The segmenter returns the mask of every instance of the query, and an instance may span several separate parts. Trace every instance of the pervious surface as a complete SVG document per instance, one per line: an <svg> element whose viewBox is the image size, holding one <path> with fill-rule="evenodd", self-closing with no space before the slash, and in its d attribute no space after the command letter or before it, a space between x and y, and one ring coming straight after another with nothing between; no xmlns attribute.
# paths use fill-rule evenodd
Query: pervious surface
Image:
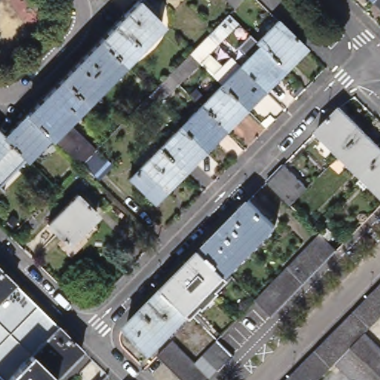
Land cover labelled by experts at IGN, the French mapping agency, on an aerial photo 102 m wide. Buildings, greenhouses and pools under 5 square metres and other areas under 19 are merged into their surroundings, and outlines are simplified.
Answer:
<svg viewBox="0 0 380 380"><path fill-rule="evenodd" d="M298 236L303 237L303 243L297 243L297 251L286 263L279 266L281 272L284 272L301 252L309 248L315 239L313 236L307 236L298 223L298 218L304 214L304 211L294 206L284 203L279 206L276 223L272 224L273 230L276 230L278 224L289 224Z"/></svg>
<svg viewBox="0 0 380 380"><path fill-rule="evenodd" d="M171 338L191 361L196 362L214 346L212 338L215 337L215 331L206 316L194 322L184 322Z"/></svg>
<svg viewBox="0 0 380 380"><path fill-rule="evenodd" d="M18 19L9 18L4 12L4 4L0 1L0 65L4 68L12 67L15 64L13 53L19 47L42 49L42 43L34 37L39 28L36 21L22 25Z"/></svg>
<svg viewBox="0 0 380 380"><path fill-rule="evenodd" d="M162 212L162 217L160 223L154 226L154 230L159 235L162 229L168 229L169 226L166 226L166 218L191 194L190 189L181 193L177 189L172 190L172 193L157 206Z"/></svg>
<svg viewBox="0 0 380 380"><path fill-rule="evenodd" d="M123 214L114 214L111 206L104 203L99 208L101 221L113 229L123 217Z"/></svg>
<svg viewBox="0 0 380 380"><path fill-rule="evenodd" d="M12 237L31 232L34 239L40 230L46 227L50 223L47 221L47 215L50 211L36 209L28 221L21 220L16 211L12 211L7 217L7 229L4 230Z"/></svg>

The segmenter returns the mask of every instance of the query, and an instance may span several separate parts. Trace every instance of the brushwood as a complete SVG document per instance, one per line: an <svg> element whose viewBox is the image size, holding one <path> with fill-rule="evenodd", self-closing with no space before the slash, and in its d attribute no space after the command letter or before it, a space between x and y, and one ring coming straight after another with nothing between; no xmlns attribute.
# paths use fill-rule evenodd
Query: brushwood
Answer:
<svg viewBox="0 0 380 380"><path fill-rule="evenodd" d="M200 196L199 187L186 180L181 181L177 189L181 193L190 189L191 194L166 218L166 226L169 226Z"/></svg>
<svg viewBox="0 0 380 380"><path fill-rule="evenodd" d="M50 211L77 178L83 178L94 186L98 193L101 193L99 196L104 203L111 206L114 214L123 214L123 217L135 220L137 214L147 212L151 205L147 197L135 187L132 189L131 199L123 200L99 178L92 177L86 166L71 163L70 177L64 180L61 189L55 194L43 191L37 196L33 190L25 189L25 178L21 175L10 186L0 183L0 229L4 230L7 229L7 217L12 211L16 211L21 220L28 221L36 209Z"/></svg>
<svg viewBox="0 0 380 380"><path fill-rule="evenodd" d="M309 142L306 148L292 159L291 163L294 166L289 171L306 189L309 187L310 178L325 174L335 160L327 145L318 140Z"/></svg>
<svg viewBox="0 0 380 380"><path fill-rule="evenodd" d="M140 77L141 83L138 83L138 86L141 89L151 91L160 85L165 77L157 68L157 56L151 52L138 61L129 73L134 80Z"/></svg>
<svg viewBox="0 0 380 380"><path fill-rule="evenodd" d="M189 45L186 45L183 47L183 49L178 50L178 52L175 53L174 56L172 56L171 61L169 61L169 64L171 64L172 67L177 67L181 64L181 62L184 61L184 59L189 58L193 50Z"/></svg>
<svg viewBox="0 0 380 380"><path fill-rule="evenodd" d="M273 230L272 236L264 245L260 246L237 272L232 273L229 284L221 289L218 297L223 300L220 304L221 309L229 316L229 322L233 322L242 321L254 303L258 295L266 291L267 286L281 275L281 272L279 266L286 263L297 251L297 243L303 243L303 237L298 236L289 224L278 224L276 230Z"/></svg>
<svg viewBox="0 0 380 380"><path fill-rule="evenodd" d="M284 80L289 92L297 92L315 80L315 77L327 67L327 62L315 52L309 53L286 74Z"/></svg>

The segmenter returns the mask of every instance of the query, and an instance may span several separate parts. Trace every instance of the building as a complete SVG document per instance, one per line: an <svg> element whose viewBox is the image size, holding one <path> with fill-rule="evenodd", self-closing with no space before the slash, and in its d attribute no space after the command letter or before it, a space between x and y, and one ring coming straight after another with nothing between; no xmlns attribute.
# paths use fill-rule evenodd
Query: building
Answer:
<svg viewBox="0 0 380 380"><path fill-rule="evenodd" d="M99 208L89 208L83 197L76 197L53 223L50 223L46 227L47 232L70 239L62 248L71 255L85 248L89 237L101 221Z"/></svg>
<svg viewBox="0 0 380 380"><path fill-rule="evenodd" d="M53 153L56 144L73 159L71 163L86 166L92 177L99 178L110 168L110 162L104 162L94 145L74 129L74 126L80 125L83 117L91 111L129 73L138 61L151 52L165 36L168 25L163 24L162 19L157 18L145 4L138 4L137 9L129 13L125 21L120 22L116 30L101 45L95 47L91 55L86 56L85 61L61 83L58 89L47 96L45 102L39 105L34 113L28 114L10 135L4 137L0 132L0 183L10 186L21 175L21 169L36 162L40 154Z"/></svg>
<svg viewBox="0 0 380 380"><path fill-rule="evenodd" d="M361 295L361 298L364 298L361 306L295 373L288 374L286 380L380 380L380 286L371 295L364 292Z"/></svg>
<svg viewBox="0 0 380 380"><path fill-rule="evenodd" d="M243 117L248 116L249 111L255 110L255 105L284 80L286 74L309 53L303 43L295 39L294 33L279 22L263 39L258 40L248 36L232 16L227 16L193 50L189 58L184 59L184 61L181 62L181 64L177 67L177 71L165 77L160 85L151 91L148 96L153 98L156 104L160 99L165 104L166 102L181 83L191 82L191 76L194 76L202 65L220 83L221 88L187 120L186 125L171 140L160 147L160 150L142 166L141 171L132 177L132 184L135 187L147 197L151 205L157 206L172 193L172 190L177 189L181 181L186 180L194 168L203 168L206 154L218 147L242 122Z"/></svg>
<svg viewBox="0 0 380 380"><path fill-rule="evenodd" d="M242 0L223 0L233 9L236 9Z"/></svg>
<svg viewBox="0 0 380 380"><path fill-rule="evenodd" d="M322 236L324 233L313 236L315 239L309 248L301 252L284 272L281 272L281 275L267 286L266 291L258 295L254 303L267 316L272 315L276 307L288 297L289 292L294 291L334 249L330 245L330 240Z"/></svg>
<svg viewBox="0 0 380 380"><path fill-rule="evenodd" d="M261 175L266 186L278 194L279 206L284 203L294 206L295 200L306 189L289 171L281 166L273 175L267 175L267 172Z"/></svg>
<svg viewBox="0 0 380 380"><path fill-rule="evenodd" d="M129 377L128 368L134 368L135 371L150 370L150 364L137 365L128 356L123 355L123 364L110 373L110 368L105 367L88 347L83 346L83 343L71 341L71 335L55 324L55 321L40 309L39 304L34 303L30 295L12 276L6 275L0 266L0 380L125 380Z"/></svg>
<svg viewBox="0 0 380 380"><path fill-rule="evenodd" d="M156 353L156 361L160 365L166 365L174 373L174 380L214 380L224 367L236 364L235 353L230 353L215 337L212 338L214 346L196 362L191 361L171 338L184 322L194 322L206 316L205 310L211 309L217 303L218 297L221 289L229 284L232 273L237 272L260 246L264 245L272 236L273 230L272 224L252 203L245 202L240 205L232 217L200 246L199 251L123 327L126 337L134 341L135 347L140 349L142 355L151 356Z"/></svg>
<svg viewBox="0 0 380 380"><path fill-rule="evenodd" d="M325 120L313 132L309 142L318 140L327 145L335 160L343 163L343 168L352 172L353 177L358 180L358 187L370 190L380 200L380 148L338 108L332 111L330 119Z"/></svg>

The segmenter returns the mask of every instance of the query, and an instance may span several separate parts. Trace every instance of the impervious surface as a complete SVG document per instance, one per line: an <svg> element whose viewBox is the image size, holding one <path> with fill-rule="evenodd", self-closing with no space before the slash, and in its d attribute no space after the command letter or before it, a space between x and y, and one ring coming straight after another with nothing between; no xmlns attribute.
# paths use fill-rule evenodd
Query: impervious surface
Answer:
<svg viewBox="0 0 380 380"><path fill-rule="evenodd" d="M10 135L28 114L34 113L39 105L45 102L47 96L58 89L61 83L85 61L86 56L91 55L95 47L101 45L116 30L120 22L125 21L129 13L137 9L138 4L145 4L157 18L162 19L163 24L168 25L166 10L180 6L184 0L73 0L74 10L71 13L71 25L65 36L64 46L47 50L42 56L43 65L39 73L25 74L21 76L21 82L0 89L0 132L4 137Z"/></svg>
<svg viewBox="0 0 380 380"><path fill-rule="evenodd" d="M9 18L18 19L22 25L36 21L36 4L25 0L0 0L0 1L4 4L4 12Z"/></svg>
<svg viewBox="0 0 380 380"><path fill-rule="evenodd" d="M370 230L376 224L380 224L380 203L373 211L370 215L358 215L358 226L353 232L352 239L346 243L338 243L338 248L334 249L294 291L289 292L288 297L276 307L272 315L267 316L254 303L242 321L233 322L229 330L215 331L215 337L230 353L235 353L236 364L224 367L214 380L286 380L288 374L295 373L361 306L364 298L361 298L361 295L364 292L371 295L380 286L380 243L374 249L373 257L362 258L356 269L347 275L341 273L337 257L347 257L350 252L355 252L359 239L371 239ZM282 341L273 331L281 322L279 313L286 307L291 307L292 300L301 292L312 291L313 279L324 279L324 273L328 270L341 278L340 285L324 295L321 306L309 310L303 327L297 327L295 330L295 341Z"/></svg>
<svg viewBox="0 0 380 380"><path fill-rule="evenodd" d="M71 341L83 343L83 346L88 347L105 367L110 368L110 373L123 364L123 355L128 356L137 365L150 364L150 370L135 371L134 368L128 368L129 377L125 380L174 380L174 373L166 365L160 365L156 361L156 353L151 356L142 355L140 349L135 347L134 341L126 337L123 327L199 251L200 246L232 217L240 205L245 202L252 203L272 224L276 223L279 206L278 194L266 186L261 175L267 172L267 175L273 175L281 166L289 171L294 166L291 163L292 159L306 148L309 142L313 132L325 120L330 119L332 111L338 108L380 148L380 0L330 0L332 9L346 15L349 21L338 42L321 47L312 45L307 40L303 28L291 18L279 0L263 0L279 22L294 33L295 39L303 43L309 53L315 52L327 62L327 67L315 77L315 80L297 92L289 92L284 80L255 105L255 110L249 111L248 116L243 117L242 122L218 147L206 154L203 168L194 168L186 180L199 187L200 196L169 226L168 229L162 229L159 235L157 245L150 248L150 251L142 252L138 267L132 270L131 275L122 276L114 284L110 297L99 306L82 310L68 303L62 297L64 291L58 288L58 281L43 266L46 264L45 251L50 251L58 245L62 248L70 239L47 232L46 227L40 230L34 239L31 232L12 237L4 230L0 229L0 266L6 275L12 276L30 295L34 303L39 304L40 309L55 321L55 324L71 335Z"/></svg>

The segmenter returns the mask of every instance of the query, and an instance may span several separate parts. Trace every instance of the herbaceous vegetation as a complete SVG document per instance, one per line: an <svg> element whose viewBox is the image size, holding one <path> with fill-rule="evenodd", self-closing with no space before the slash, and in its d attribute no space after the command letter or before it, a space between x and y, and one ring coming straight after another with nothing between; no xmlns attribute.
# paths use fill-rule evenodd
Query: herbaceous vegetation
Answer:
<svg viewBox="0 0 380 380"><path fill-rule="evenodd" d="M217 303L211 309L205 310L206 316L215 331L229 330L233 322L229 322L229 316L221 309L220 304L223 300L218 297Z"/></svg>
<svg viewBox="0 0 380 380"><path fill-rule="evenodd" d="M220 83L202 65L194 76L191 76L191 82L181 83L166 102L180 119L178 122L169 123L163 129L162 137L150 144L150 147L142 151L135 160L131 159L128 150L129 142L135 140L135 128L132 123L126 122L123 128L116 126L94 138L80 125L74 126L74 129L94 145L104 162L110 162L110 168L99 178L123 200L131 199L132 189L135 187L132 184L132 177L141 171L142 166L160 150L160 147L171 140L186 125L187 120L221 88Z"/></svg>
<svg viewBox="0 0 380 380"><path fill-rule="evenodd" d="M101 193L98 193L94 186L83 178L77 178L50 211L47 215L47 221L50 223L53 223L76 197L83 197L89 208L99 208L104 203L99 196Z"/></svg>
<svg viewBox="0 0 380 380"><path fill-rule="evenodd" d="M110 113L131 117L156 104L153 98L148 96L151 91L141 89L138 86L138 83L141 83L140 77L134 80L129 73L91 111L99 119L105 119Z"/></svg>
<svg viewBox="0 0 380 380"><path fill-rule="evenodd" d="M359 209L373 211L380 203L380 200L370 190L358 187L358 180L353 177L352 172L343 168L343 163L335 160L325 174L310 178L309 187L306 189L295 200L294 206L304 211L304 214L310 212L310 208L324 212L328 203L332 208L344 202L347 205L356 205Z"/></svg>
<svg viewBox="0 0 380 380"><path fill-rule="evenodd" d="M53 153L40 154L36 162L21 169L21 175L25 178L25 189L33 190L37 196L43 191L55 194L61 189L64 180L70 177L71 163L73 159L56 144Z"/></svg>
<svg viewBox="0 0 380 380"><path fill-rule="evenodd" d="M172 67L171 64L169 64L169 61L171 61L172 56L174 56L175 53L178 52L178 50L183 49L183 47L186 45L189 45L193 50L227 16L232 16L248 36L258 40L263 39L279 22L263 0L242 0L236 9L233 9L223 0L184 0L180 6L166 10L168 25L165 36L151 52L157 56L157 68L165 77L177 71L177 67Z"/></svg>
<svg viewBox="0 0 380 380"><path fill-rule="evenodd" d="M116 275L116 267L98 254L98 248L104 243L105 236L110 235L113 229L101 221L89 237L85 248L71 255L62 248L58 245L50 251L45 251L46 264L43 266L58 281L70 266L83 273L91 270L96 276L104 272Z"/></svg>

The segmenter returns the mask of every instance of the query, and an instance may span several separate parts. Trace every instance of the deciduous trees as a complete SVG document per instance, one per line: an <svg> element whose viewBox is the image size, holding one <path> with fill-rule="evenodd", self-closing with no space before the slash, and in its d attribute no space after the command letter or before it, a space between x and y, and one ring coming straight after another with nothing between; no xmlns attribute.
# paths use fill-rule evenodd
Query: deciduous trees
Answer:
<svg viewBox="0 0 380 380"><path fill-rule="evenodd" d="M64 46L65 36L71 25L71 13L74 10L73 0L25 0L36 4L36 21L39 28L34 37L42 43L42 49L19 47L13 53L15 64L12 67L4 68L0 65L0 89L21 82L21 76L25 74L39 73L43 65L42 56L47 50Z"/></svg>
<svg viewBox="0 0 380 380"><path fill-rule="evenodd" d="M373 257L374 249L380 243L380 224L376 224L370 230L371 239L359 239L355 252L350 252L347 257L337 257L341 273L347 275L356 269L362 258Z"/></svg>
<svg viewBox="0 0 380 380"><path fill-rule="evenodd" d="M301 292L292 300L291 307L286 307L279 313L281 322L273 331L282 341L295 341L295 330L297 327L303 327L309 310L321 306L324 295L340 285L341 278L328 270L324 273L324 279L313 279L312 291Z"/></svg>
<svg viewBox="0 0 380 380"><path fill-rule="evenodd" d="M131 117L110 113L105 119L99 119L91 111L83 117L80 125L94 138L116 126L123 128L126 122L132 123L135 128L135 140L129 142L128 150L131 159L135 160L142 151L150 147L150 144L162 137L163 129L169 123L178 122L180 119L166 102L165 104L160 99L156 104Z"/></svg>
<svg viewBox="0 0 380 380"><path fill-rule="evenodd" d="M162 217L162 212L157 206L151 205L147 212L137 214L135 220L123 217L113 229L110 235L105 236L104 243L98 248L98 254L116 267L116 275L104 272L96 276L91 270L83 273L70 266L58 281L58 288L64 291L62 297L68 303L82 310L99 306L110 297L114 284L122 276L131 275L132 270L138 267L142 252L150 251L150 248L157 245L159 235L154 230L154 226L160 223Z"/></svg>
<svg viewBox="0 0 380 380"><path fill-rule="evenodd" d="M358 226L358 215L370 215L373 211L359 209L356 205L347 205L344 202L332 208L328 203L324 212L310 208L310 212L304 214L298 218L298 223L307 236L313 236L324 233L322 236L330 240L330 245L334 249L338 248L338 243L346 243L352 239L353 232Z"/></svg>
<svg viewBox="0 0 380 380"><path fill-rule="evenodd" d="M307 40L312 45L321 47L338 42L349 21L346 15L332 9L330 0L279 0L291 18L303 28Z"/></svg>

